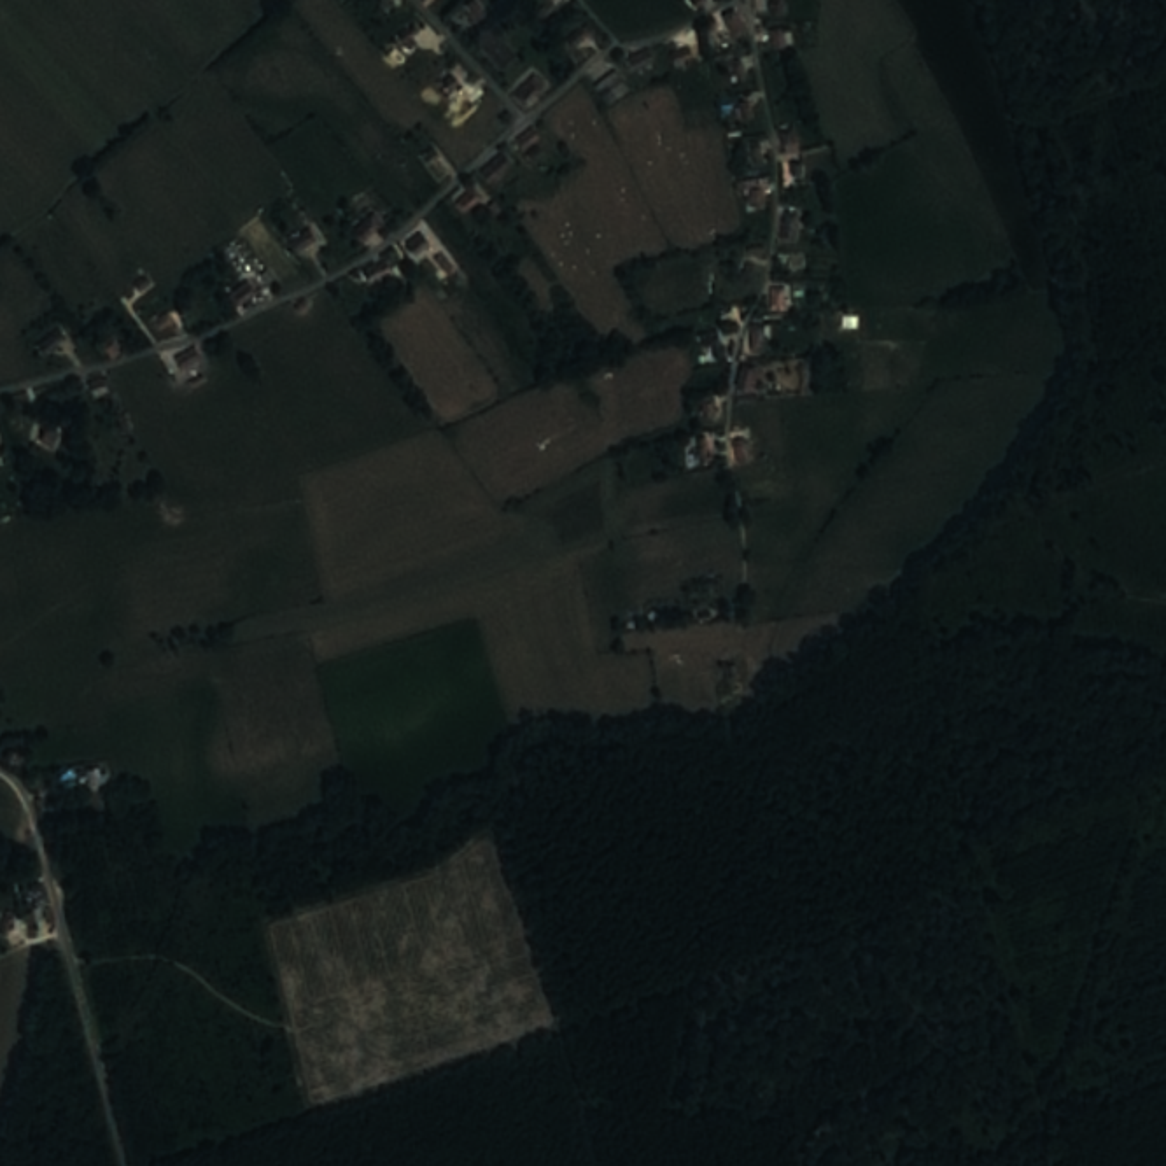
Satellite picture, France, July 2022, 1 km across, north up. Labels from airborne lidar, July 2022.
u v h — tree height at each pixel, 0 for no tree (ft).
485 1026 0
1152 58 91
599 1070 41
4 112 0
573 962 61
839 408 0
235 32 0
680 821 71
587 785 65
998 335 0
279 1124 24
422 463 0
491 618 0
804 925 67
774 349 27
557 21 41
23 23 0
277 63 0
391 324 0
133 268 0
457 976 0
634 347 39
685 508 0
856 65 0
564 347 18
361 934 0
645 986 63
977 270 0
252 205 0
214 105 0
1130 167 19
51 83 0
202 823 0
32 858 77
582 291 0
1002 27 88
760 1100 76
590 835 71
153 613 0
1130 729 63
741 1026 71
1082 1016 54
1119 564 0
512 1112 33
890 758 78
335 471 0
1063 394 69
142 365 0
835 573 0
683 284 0
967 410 0
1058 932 21
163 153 0
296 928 0
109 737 0
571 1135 31
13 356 0
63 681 0
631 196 0
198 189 0
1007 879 19
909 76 0
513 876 63
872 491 0
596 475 0
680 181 0
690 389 24
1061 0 84
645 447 28
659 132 0
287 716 0
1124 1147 34
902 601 66
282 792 0
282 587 0
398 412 0
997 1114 70
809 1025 82
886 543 0
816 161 0
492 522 0
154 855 26
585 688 0
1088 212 25
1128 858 30
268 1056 35
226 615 0
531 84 0
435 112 0
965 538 71
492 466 0
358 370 0
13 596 0
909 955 77
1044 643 67
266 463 0
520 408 0
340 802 64
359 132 0
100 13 0
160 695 0
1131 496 0
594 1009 55
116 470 25
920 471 0
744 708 25
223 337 35
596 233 0
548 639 0
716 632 0
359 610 0
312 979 0
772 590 0
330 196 0
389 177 0
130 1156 48
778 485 0
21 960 0
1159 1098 31
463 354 0
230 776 0
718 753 72
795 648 0
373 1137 35
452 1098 29
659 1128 50
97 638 0
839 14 0
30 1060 73
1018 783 70
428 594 0
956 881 66
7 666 0
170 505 0
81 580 0
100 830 40
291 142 0
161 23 0
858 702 75
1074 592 60
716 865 59
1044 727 75
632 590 0
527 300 44
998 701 47
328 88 0
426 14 0
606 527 0
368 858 31
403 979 0
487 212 34
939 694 55
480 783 52
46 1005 77
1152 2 102
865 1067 58
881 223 0
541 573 0
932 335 0
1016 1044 67
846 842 74
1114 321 24
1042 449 89
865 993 68
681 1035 24
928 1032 74
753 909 63
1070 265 73
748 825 55
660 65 0
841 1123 78
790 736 64
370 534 0
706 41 44
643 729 72
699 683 0
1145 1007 21
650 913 66
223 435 0
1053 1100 19
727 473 48
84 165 51
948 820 76
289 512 0
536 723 75
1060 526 0
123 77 0
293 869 28
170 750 0
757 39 0
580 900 62
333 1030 0
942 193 0
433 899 0
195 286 22
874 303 0
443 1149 39
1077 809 49
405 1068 0
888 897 70
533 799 63
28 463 52
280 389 0
